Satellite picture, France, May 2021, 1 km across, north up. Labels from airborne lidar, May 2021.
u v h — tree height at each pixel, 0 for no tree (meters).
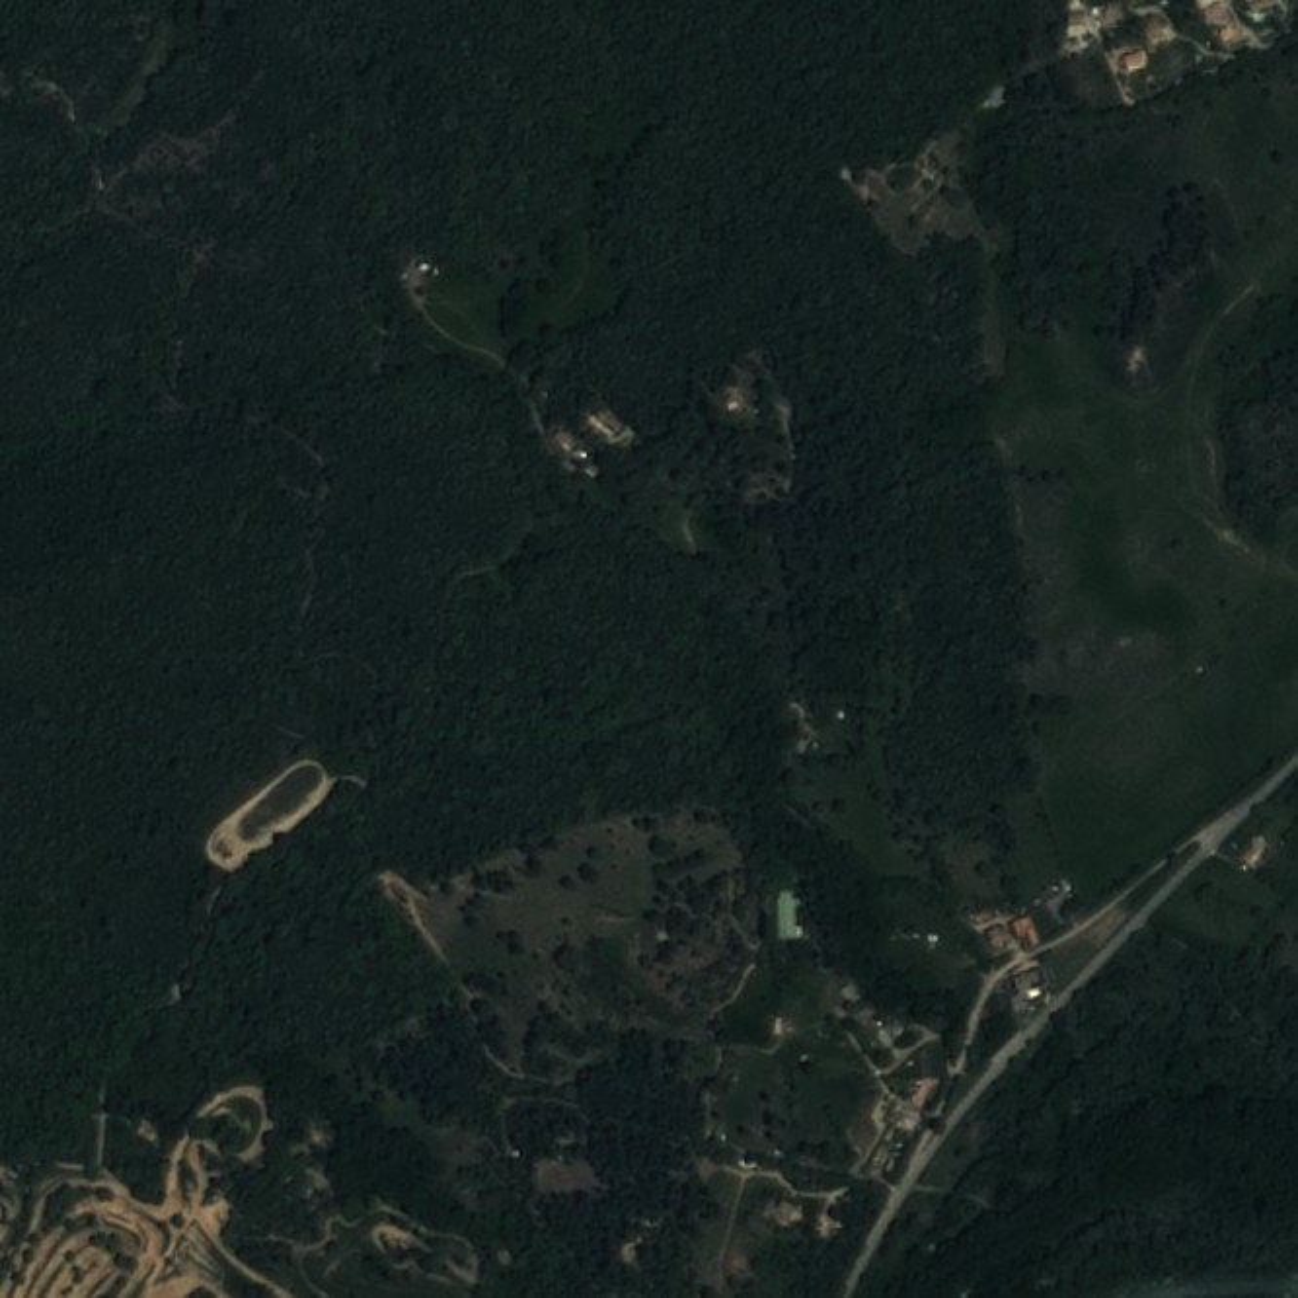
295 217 6
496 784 10
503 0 7
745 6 12
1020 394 0
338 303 8
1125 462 0
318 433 6
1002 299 0
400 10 7
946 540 6
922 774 7
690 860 10
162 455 8
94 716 10
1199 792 0
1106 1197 16
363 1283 0
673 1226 10
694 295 6
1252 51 8
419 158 6
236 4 9
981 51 12
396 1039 14
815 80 16
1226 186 0
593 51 10
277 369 14
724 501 14
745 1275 8
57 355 7
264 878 13
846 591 10
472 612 9
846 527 11
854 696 10
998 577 7
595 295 0
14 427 7
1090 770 0
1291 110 0
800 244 9
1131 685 0
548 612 8
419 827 7
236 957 11
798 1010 0
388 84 14
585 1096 18
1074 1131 20
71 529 8
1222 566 0
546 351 13
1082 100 12
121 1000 10
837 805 10
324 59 18
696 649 7
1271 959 12
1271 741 0
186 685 8
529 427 17
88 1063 12
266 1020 9
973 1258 17
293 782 0
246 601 6
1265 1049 15
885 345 12
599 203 7
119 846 7
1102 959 0
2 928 9
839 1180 11
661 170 13
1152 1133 27
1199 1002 10
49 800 6
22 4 10
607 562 12
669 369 6
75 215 7
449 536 6
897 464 14
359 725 16
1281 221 0
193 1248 0
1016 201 8
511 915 0
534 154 13
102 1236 9
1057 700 7
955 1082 8
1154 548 0
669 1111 21
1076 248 11
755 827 13
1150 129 0
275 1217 11
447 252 10
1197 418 0
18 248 9
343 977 10
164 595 6
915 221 10
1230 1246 10
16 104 8
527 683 10
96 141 9
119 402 24
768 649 13
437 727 6
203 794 6
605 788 6
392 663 11
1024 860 0
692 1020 0
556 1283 9
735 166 12
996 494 11
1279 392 7
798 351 8
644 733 10
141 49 11
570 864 0
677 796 8
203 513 9
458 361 15
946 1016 7
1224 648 0
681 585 15
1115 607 0
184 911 8
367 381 11
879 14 14
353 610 7
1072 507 0
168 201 10
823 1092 0
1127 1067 15
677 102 14
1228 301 0
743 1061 0
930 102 11
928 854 8
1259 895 0
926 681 7
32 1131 7
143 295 6
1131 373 0
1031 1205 22
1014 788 8
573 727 12
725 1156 15
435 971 10
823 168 11
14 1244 8
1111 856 0
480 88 9
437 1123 20
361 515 6
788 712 19
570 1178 0
